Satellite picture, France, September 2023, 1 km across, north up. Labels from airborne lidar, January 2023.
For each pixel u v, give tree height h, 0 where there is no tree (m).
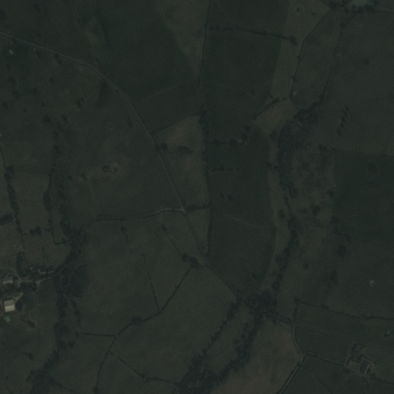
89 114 0
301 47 0
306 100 0
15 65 0
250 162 0
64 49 0
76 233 19
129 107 0
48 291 0
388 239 0
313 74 0
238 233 0
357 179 0
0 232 0
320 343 0
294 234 20
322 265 0
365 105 0
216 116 0
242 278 0
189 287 0
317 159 0
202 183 0
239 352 15
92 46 0
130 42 0
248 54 0
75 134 0
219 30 13
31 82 0
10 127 0
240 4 0
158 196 0
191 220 0
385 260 0
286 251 8
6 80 0
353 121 0
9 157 0
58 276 14
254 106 0
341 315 0
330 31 0
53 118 0
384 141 0
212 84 0
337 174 0
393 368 0
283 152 12
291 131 14
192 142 0
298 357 0
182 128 0
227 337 0
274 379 0
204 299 0
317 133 0
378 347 0
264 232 0
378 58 0
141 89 0
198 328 0
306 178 0
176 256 0
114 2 0
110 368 0
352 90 0
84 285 0
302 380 0
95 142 0
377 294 0
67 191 0
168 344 0
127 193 0
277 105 0
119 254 0
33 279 0
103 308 0
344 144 0
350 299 0
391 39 0
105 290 0
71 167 0
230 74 0
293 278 0
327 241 0
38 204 0
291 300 0
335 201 0
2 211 0
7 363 0
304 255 0
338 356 0
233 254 0
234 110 0
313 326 0
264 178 0
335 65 0
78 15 0
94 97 0
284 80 0
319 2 0
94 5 0
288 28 0
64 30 0
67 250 0
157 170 0
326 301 0
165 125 0
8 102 0
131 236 0
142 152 0
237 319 0
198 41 0
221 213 0
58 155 0
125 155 0
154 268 0
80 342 0
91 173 0
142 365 0
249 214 0
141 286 0
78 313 12
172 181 0
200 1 0
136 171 0
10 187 11
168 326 0
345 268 0
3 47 0
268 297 24
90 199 0
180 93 0
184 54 0
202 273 0
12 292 0
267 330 0
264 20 0
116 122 0
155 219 0
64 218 24
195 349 0
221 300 0
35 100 0
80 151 0
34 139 0
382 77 0
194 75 0
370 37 0
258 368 0
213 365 0
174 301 0
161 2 0
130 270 0
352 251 0
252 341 13
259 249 0
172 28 0
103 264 0
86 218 0
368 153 0
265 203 0
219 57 0
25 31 0
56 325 9
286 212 0
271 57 0
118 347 0
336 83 0
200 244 0
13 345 0
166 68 0
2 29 0
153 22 0
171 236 0
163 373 0
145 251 0
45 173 0
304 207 0
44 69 0
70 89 0
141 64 0
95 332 0
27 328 0
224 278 0
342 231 0
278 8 0
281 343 0
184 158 0
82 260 0
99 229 0
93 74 0
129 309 0
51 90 0
